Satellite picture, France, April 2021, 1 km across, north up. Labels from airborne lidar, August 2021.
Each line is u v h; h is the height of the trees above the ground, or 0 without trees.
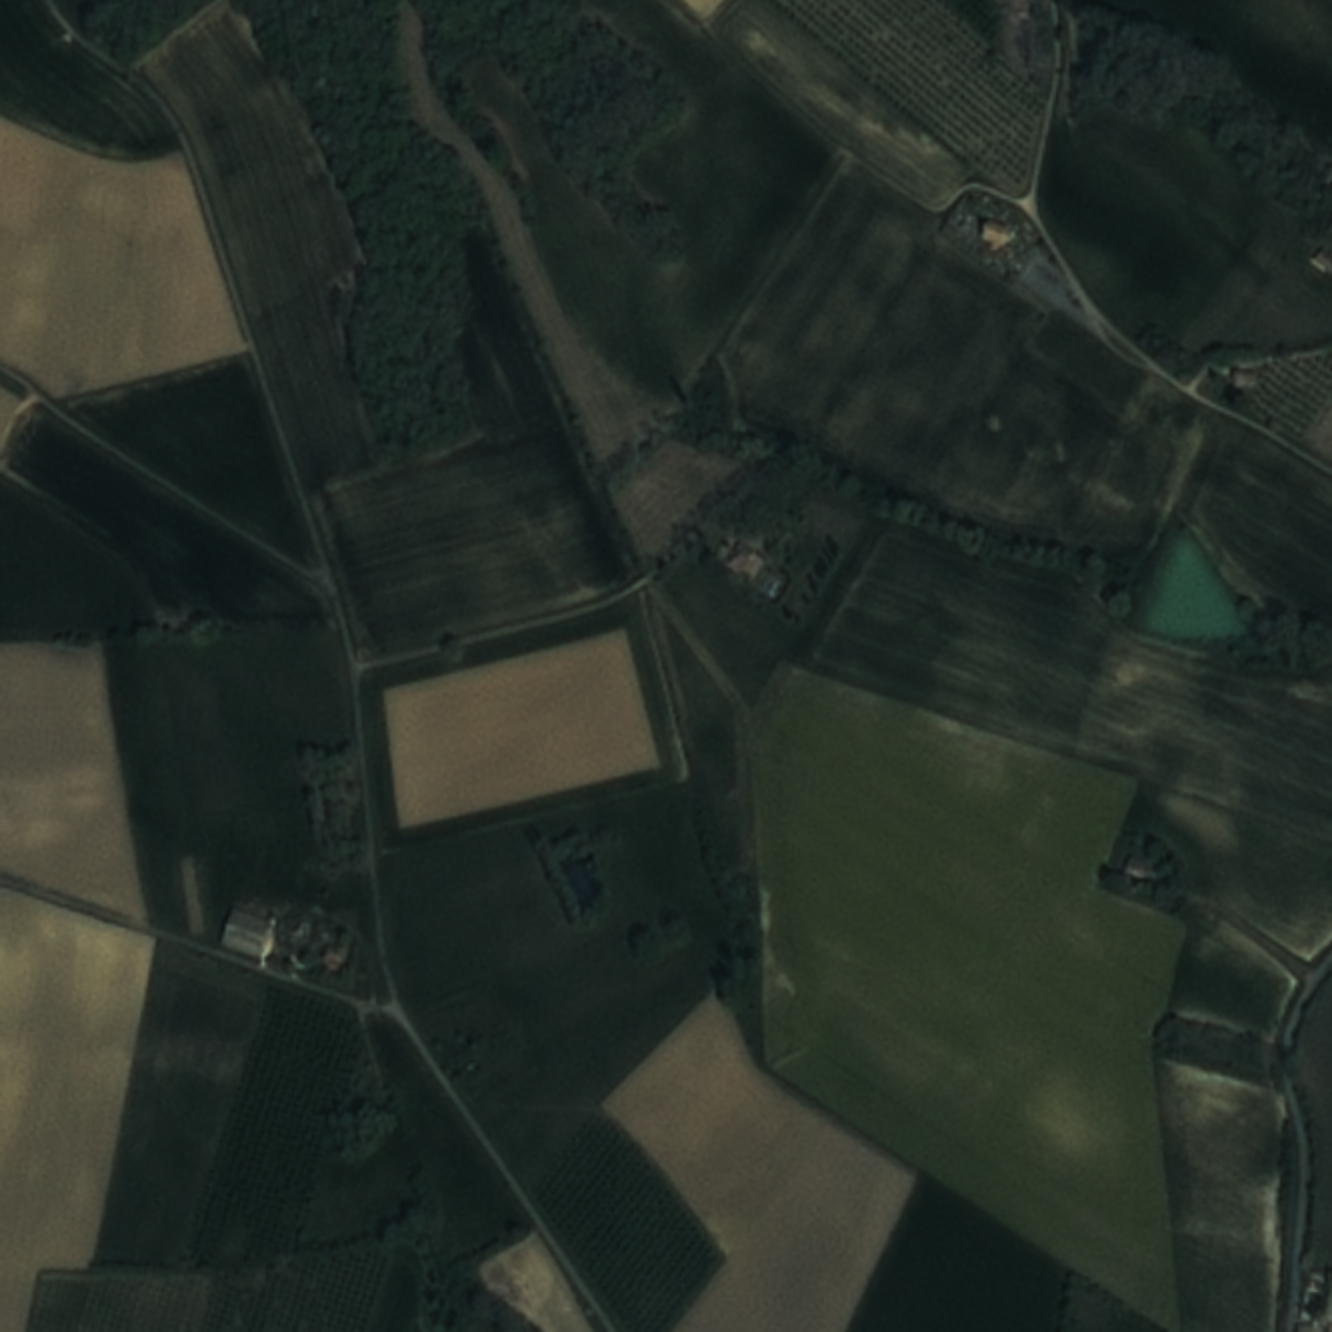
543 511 0
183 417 0
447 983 0
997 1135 0
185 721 0
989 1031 0
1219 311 0
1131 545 0
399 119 28
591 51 13
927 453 0
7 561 0
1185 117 5
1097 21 14
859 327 0
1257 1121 0
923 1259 0
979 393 0
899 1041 0
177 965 0
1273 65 0
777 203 0
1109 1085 0
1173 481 0
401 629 0
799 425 0
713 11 0
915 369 0
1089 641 0
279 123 0
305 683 0
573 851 7
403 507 0
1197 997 0
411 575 0
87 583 0
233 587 0
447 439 13
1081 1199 0
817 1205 0
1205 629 0
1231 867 0
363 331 23
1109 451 0
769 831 0
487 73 0
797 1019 0
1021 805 0
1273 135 14
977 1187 0
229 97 0
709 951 0
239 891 0
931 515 13
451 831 0
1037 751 0
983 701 0
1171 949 0
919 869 0
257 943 0
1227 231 0
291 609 0
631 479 23
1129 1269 0
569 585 0
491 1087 0
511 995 0
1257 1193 0
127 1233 0
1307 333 0
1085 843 0
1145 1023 0
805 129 0
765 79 0
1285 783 0
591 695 0
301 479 0
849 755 0
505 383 0
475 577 0
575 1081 0
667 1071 0
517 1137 0
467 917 0
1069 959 0
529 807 0
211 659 0
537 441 0
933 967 0
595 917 17
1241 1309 0
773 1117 0
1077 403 0
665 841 0
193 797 0
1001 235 0
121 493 0
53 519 0
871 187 0
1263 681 0
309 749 9
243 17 10
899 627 0
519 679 0
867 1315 0
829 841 0
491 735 0
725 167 0
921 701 0
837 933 0
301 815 0
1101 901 0
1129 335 0
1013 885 0
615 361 0
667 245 14
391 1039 0
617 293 0
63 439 0
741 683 0
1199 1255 0
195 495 0
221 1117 0
